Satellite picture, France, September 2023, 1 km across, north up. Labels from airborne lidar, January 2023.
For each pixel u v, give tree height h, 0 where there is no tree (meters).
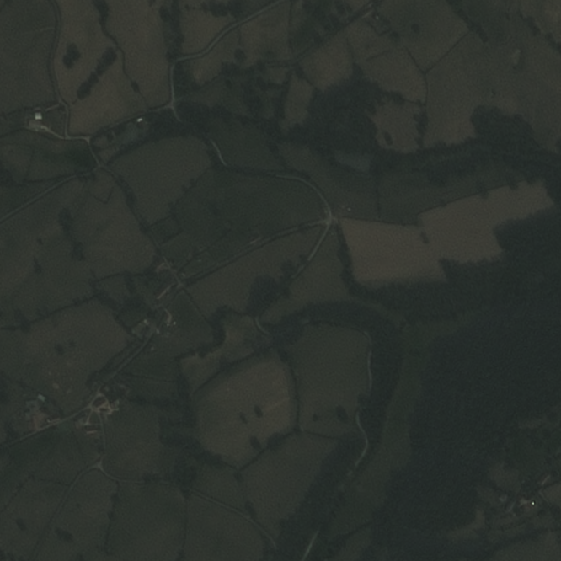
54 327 0
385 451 0
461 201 0
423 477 24
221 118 20
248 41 0
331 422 0
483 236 0
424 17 0
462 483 19
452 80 0
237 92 0
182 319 0
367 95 20
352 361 0
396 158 19
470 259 0
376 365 7
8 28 0
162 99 0
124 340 0
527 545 0
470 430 15
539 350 23
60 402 0
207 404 0
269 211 0
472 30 10
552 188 22
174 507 0
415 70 0
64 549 0
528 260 21
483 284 20
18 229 0
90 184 0
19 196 0
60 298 0
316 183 0
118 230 0
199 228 0
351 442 22
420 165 0
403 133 0
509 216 0
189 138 0
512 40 0
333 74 0
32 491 0
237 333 0
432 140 0
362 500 0
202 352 11
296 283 0
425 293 16
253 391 0
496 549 9
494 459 6
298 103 0
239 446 0
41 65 0
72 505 0
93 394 0
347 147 22
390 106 0
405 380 0
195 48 0
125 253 0
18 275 0
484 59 0
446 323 0
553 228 18
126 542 0
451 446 20
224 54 0
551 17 0
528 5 0
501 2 0
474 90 0
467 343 17
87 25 0
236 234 0
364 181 0
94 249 0
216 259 0
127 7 0
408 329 0
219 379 0
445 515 16
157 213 0
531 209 0
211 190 0
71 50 16
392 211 0
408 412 0
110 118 0
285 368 0
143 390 0
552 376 16
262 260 0
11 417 0
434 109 0
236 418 0
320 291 0
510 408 18
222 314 20
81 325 0
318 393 0
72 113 0
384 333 18
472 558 11
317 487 16
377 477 0
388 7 0
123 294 0
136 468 0
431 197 0
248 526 0
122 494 0
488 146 14
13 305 0
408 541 16
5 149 0
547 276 22
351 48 0
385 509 11
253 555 0
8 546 0
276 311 0
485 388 20
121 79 0
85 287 0
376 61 0
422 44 0
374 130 18
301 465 0
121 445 0
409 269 0
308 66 0
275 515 0
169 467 0
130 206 0
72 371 0
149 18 0
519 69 0
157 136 9
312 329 0
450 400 20
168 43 0
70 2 0
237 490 0
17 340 0
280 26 0
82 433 0
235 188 0
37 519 0
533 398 14
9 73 0
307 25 0
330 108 19
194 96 0
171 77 0
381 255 0
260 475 0
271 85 8
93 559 0
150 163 0
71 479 0
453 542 0
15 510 0
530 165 11
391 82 0
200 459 17
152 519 0
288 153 0
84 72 0
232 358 0
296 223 0
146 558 0
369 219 0
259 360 0
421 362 0
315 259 0
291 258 0
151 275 12
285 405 0
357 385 0
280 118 7
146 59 0
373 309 0
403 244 0
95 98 0
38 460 0
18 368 0
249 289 0
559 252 20
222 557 0
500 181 0
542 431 0
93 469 0
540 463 0
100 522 0
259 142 0
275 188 0
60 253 0
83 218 0
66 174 0
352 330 0
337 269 0
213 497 0
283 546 8
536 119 0
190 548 0
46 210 0
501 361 20
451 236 0
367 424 13
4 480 0
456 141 0
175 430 0
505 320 31
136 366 0
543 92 0
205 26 0
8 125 0
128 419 0
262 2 0
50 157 0
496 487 12
